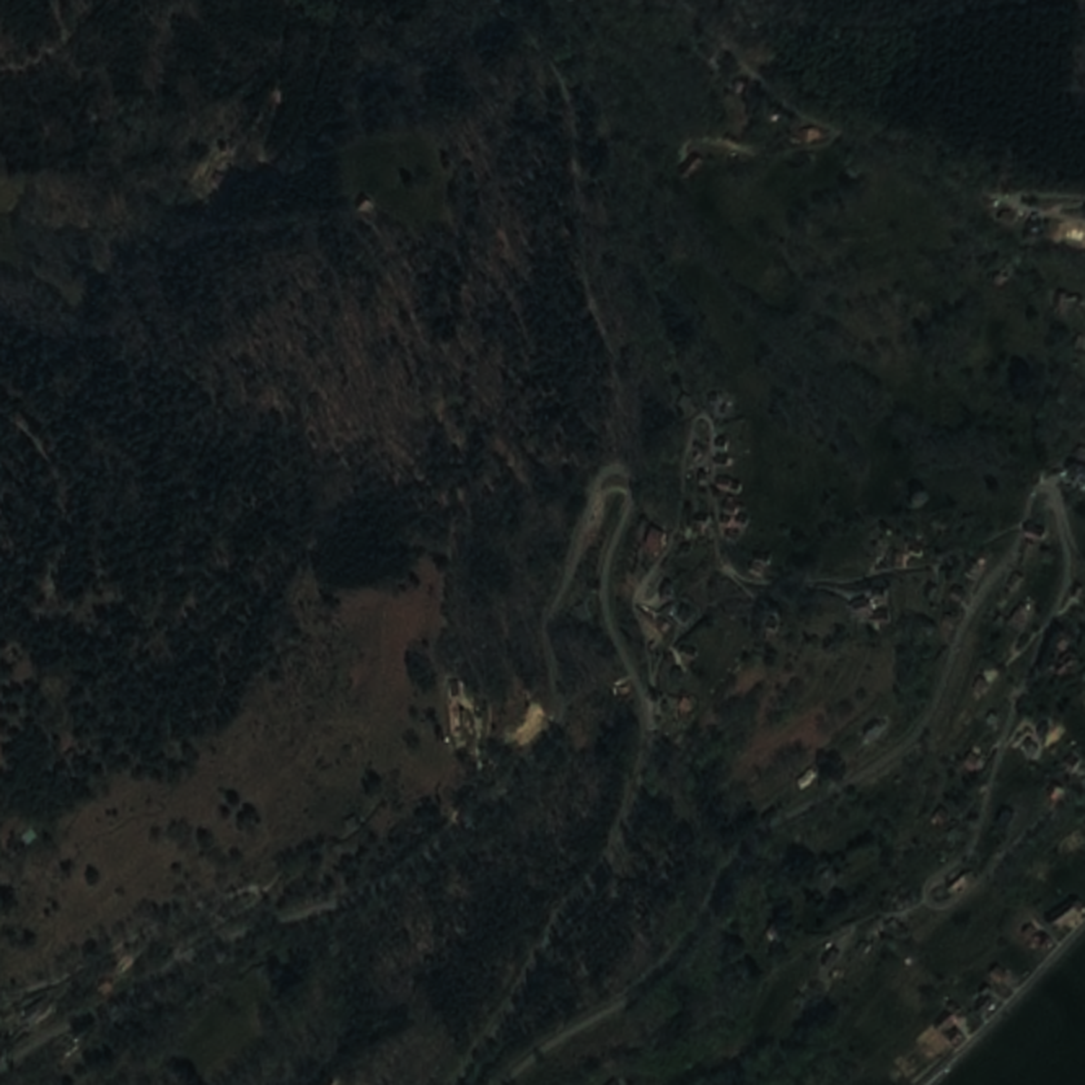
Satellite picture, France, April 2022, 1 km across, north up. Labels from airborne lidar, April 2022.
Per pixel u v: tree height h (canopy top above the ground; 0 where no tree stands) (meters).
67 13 12
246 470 27
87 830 0
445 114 15
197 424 22
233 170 0
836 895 9
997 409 7
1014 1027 0
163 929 11
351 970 26
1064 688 10
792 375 16
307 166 26
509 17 15
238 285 24
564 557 25
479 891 25
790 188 0
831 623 0
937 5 23
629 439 28
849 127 21
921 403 0
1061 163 24
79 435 22
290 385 26
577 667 22
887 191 0
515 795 17
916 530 7
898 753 0
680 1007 25
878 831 8
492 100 27
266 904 17
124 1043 24
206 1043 0
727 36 21
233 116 11
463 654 26
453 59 16
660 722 7
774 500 0
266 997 0
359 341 23
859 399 24
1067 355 24
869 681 0
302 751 0
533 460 27
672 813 34
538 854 26
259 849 0
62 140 13
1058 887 0
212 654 11
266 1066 29
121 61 16
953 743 0
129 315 28
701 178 20
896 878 23
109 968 23
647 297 29
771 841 23
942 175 22
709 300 0
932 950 0
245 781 0
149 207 30
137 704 13
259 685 10
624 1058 21
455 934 22
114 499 23
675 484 7
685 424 18
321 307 25
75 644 21
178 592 13
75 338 25
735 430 0
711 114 19
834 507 16
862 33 23
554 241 36
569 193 38
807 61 23
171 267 28
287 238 24
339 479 32
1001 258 17
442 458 22
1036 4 21
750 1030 19
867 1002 0
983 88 31
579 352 34
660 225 27
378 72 27
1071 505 15
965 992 0
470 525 25
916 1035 0
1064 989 0
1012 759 0
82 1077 12
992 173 12
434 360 32
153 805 0
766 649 6
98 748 10
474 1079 15
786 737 0
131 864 0
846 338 25
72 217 20
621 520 0
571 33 19
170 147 14
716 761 29
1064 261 18
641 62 22
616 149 25
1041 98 30
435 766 0
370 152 0
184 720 20
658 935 24
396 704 0
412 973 27
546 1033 23
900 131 24
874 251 0
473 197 26
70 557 14
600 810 24
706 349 19
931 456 19
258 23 17
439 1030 31
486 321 30
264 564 9
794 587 15
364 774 0
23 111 13
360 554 28
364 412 28
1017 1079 0
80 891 0
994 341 0
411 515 24
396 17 20
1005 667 8
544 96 25
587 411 23
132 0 13
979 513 7
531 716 0
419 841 16
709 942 23
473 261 33
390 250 22
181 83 15
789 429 17
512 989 17
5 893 8
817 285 22
